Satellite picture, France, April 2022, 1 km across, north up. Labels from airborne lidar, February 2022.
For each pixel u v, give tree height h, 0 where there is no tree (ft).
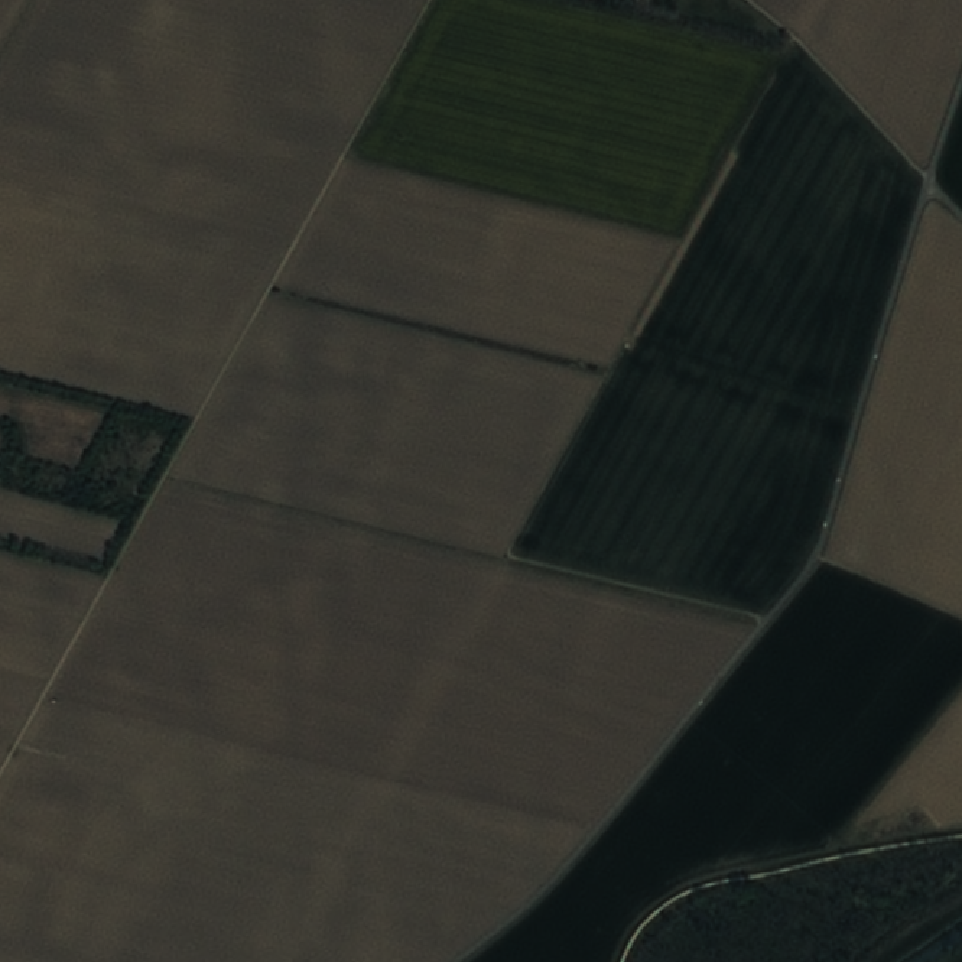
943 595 0
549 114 0
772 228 0
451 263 0
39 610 0
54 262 0
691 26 37
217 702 0
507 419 0
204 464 0
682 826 0
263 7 0
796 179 0
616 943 0
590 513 0
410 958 0
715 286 0
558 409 0
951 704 0
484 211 0
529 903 0
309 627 0
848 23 0
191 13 0
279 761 0
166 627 0
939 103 0
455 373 0
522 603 0
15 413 0
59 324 0
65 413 0
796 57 0
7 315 0
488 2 0
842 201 0
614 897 0
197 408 0
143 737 0
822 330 0
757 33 33
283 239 0
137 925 0
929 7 0
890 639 0
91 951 0
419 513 0
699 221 0
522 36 0
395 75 0
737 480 0
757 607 0
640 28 0
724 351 0
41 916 0
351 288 0
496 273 0
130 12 0
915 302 0
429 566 0
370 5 0
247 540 0
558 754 0
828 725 0
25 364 0
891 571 0
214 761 0
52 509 0
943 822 0
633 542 0
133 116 0
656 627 0
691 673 0
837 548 0
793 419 0
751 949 64
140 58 0
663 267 0
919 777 0
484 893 0
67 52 0
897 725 0
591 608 0
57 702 0
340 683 0
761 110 0
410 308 0
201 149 0
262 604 0
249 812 0
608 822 0
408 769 0
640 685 0
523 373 0
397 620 0
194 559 0
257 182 0
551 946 0
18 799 0
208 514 0
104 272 0
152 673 0
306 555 0
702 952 71
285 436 0
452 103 0
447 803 0
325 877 0
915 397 0
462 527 0
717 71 0
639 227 0
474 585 0
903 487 0
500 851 0
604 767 0
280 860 0
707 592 0
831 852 0
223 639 0
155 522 0
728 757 0
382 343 0
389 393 0
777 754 0
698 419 0
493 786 0
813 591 0
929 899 55
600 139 0
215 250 0
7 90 0
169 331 0
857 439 0
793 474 0
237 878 0
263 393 0
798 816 0
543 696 0
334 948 0
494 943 0
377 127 0
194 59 0
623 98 0
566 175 0
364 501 0
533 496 0
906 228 0
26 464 17
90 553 0
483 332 0
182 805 0
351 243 0
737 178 0
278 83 0
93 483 28
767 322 0
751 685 0
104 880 0
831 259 0
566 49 0
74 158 0
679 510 0
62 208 0
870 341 0
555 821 0
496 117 0
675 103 0
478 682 0
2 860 0
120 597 0
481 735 0
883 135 0
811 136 0
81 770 0
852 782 0
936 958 0
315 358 0
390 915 0
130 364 0
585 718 0
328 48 0
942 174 0
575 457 0
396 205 0
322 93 0
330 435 0
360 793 0
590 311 0
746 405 0
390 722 0
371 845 0
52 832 0
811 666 0
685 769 0
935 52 0
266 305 0
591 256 0
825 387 0
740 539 0
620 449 0
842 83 0
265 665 0
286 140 0
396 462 0
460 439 0
